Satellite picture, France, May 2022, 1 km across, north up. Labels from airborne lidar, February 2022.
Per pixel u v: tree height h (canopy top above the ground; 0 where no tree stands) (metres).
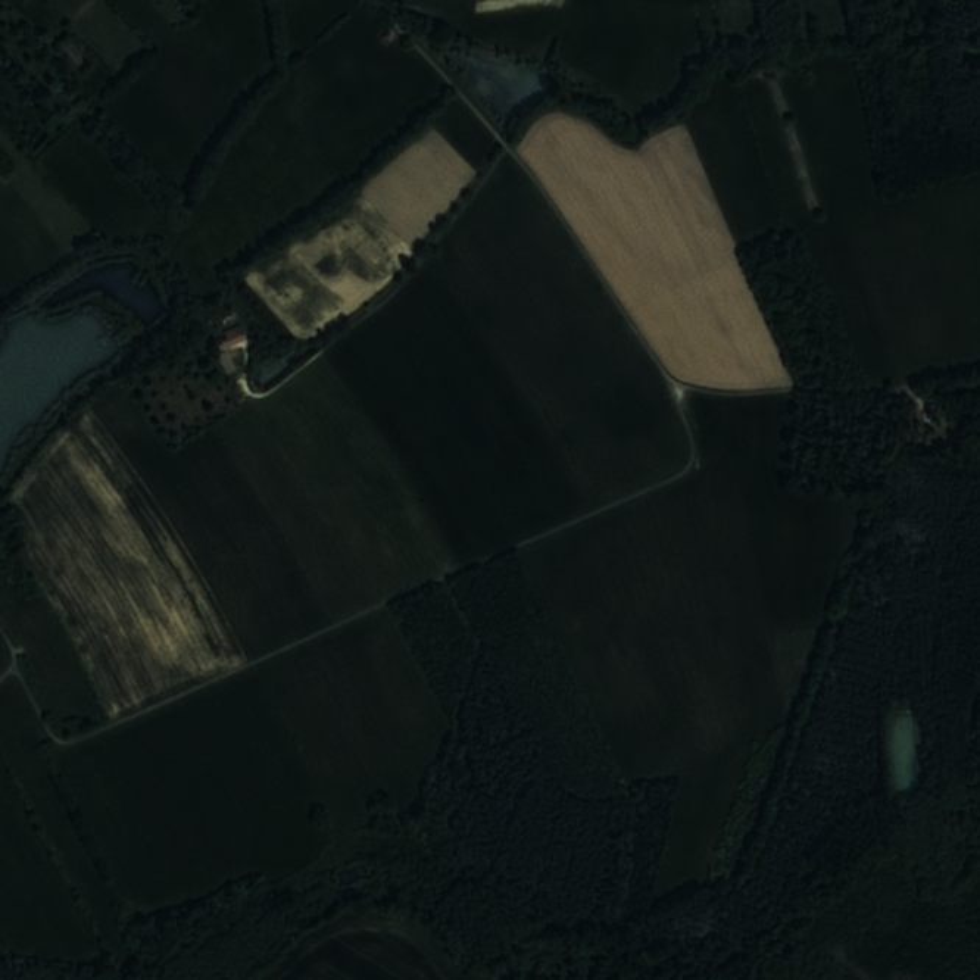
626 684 0
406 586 0
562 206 0
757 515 0
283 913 8
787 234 7
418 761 0
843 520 0
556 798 20
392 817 11
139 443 0
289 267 0
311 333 0
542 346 0
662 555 0
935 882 21
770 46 26
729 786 0
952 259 0
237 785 0
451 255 0
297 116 0
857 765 20
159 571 0
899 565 23
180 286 16
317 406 0
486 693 13
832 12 0
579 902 27
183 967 18
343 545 0
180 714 0
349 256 0
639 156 0
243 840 0
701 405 0
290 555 0
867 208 0
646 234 0
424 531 0
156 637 0
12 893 0
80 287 0
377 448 0
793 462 15
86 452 0
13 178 0
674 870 0
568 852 21
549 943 28
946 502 20
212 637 0
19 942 0
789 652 0
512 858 26
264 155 0
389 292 0
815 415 15
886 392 8
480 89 0
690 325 0
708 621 0
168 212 22
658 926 22
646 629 0
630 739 0
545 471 0
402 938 0
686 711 0
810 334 18
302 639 0
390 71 0
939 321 0
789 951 28
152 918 7
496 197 0
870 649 17
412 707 0
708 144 0
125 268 0
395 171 0
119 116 0
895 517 26
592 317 0
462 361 0
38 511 0
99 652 0
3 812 0
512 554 8
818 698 18
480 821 23
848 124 0
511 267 0
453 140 0
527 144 0
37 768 0
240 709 0
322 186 0
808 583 0
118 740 0
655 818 14
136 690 0
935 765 19
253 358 7
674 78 0
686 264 0
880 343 0
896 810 26
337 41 0
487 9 0
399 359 0
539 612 13
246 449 0
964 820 22
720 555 0
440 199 0
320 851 0
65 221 0
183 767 0
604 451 0
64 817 0
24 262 0
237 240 0
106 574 0
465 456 0
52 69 15
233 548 0
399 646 0
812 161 0
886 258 0
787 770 16
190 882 0
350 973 0
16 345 0
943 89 21
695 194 0
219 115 0
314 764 0
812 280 15
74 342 0
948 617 18
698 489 0
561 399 0
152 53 13
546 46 0
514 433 0
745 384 0
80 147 0
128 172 28
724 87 0
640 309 0
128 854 0
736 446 0
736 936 18
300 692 0
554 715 14
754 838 18
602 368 0
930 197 0
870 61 11
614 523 0
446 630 13
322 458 0
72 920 0
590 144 0
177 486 0
